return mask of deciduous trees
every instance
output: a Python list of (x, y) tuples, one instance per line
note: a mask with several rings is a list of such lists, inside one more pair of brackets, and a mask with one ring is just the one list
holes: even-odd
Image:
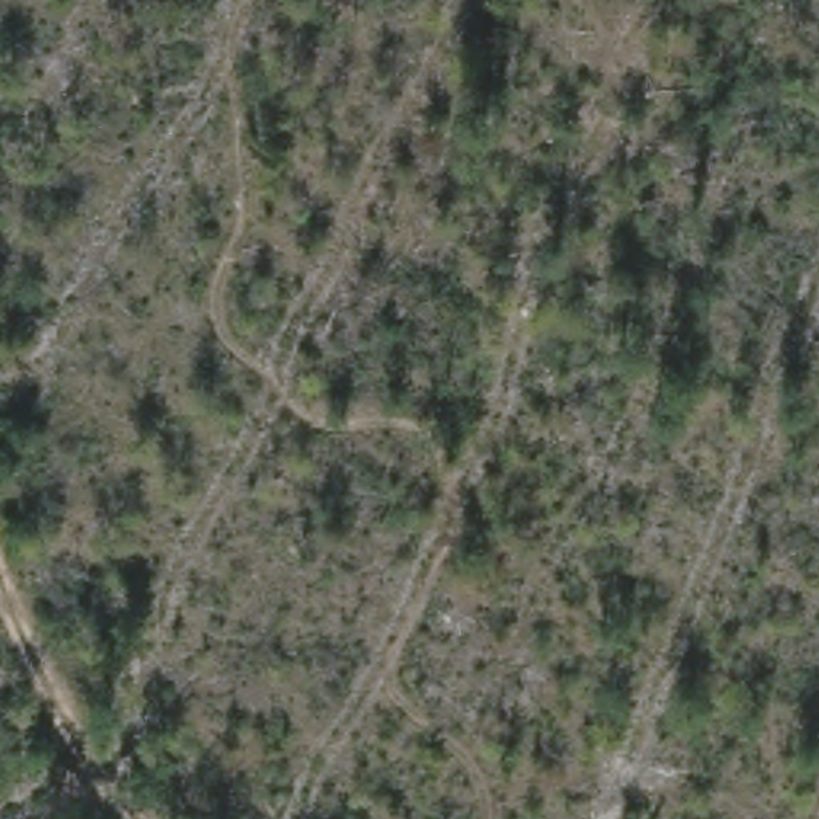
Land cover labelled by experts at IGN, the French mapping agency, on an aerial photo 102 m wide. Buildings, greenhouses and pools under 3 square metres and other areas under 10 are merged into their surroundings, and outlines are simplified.
[(416, 432), (349, 432), (349, 451), (362, 451), (378, 464), (413, 477), (432, 470), (438, 480), (438, 499), (432, 505), (432, 515), (413, 512), (403, 525), (406, 531), (419, 534), (425, 534), (425, 528), (438, 528), (438, 541), (451, 553), (397, 665), (397, 685), (425, 710), (429, 729), (419, 733), (403, 720), (394, 739), (378, 736), (368, 745), (355, 729), (349, 742), (352, 755), (365, 755), (371, 771), (378, 771), (384, 781), (403, 790), (416, 819), (819, 819), (819, 0), (253, 0), (246, 29), (250, 42), (234, 67), (243, 86), (243, 141), (262, 166), (285, 163), (291, 144), (307, 134), (310, 144), (323, 144), (326, 150), (323, 170), (333, 176), (349, 176), (355, 173), (365, 147), (374, 141), (378, 128), (371, 125), (371, 112), (381, 112), (387, 102), (394, 102), (403, 93), (406, 77), (419, 83), (429, 96), (425, 109), (413, 109), (403, 115), (403, 125), (394, 134), (394, 160), (387, 166), (374, 166), (374, 173), (381, 176), (381, 192), (368, 205), (368, 237), (374, 243), (358, 259), (358, 278), (349, 282), (349, 301), (336, 301), (330, 294), (323, 310), (317, 310), (317, 320), (307, 323), (298, 358), (298, 371), (304, 378), (320, 378), (323, 384), (336, 374), (336, 362), (342, 362), (352, 371), (352, 403), (378, 403), (384, 413), (419, 419)]
[(58, 441), (45, 432), (48, 410), (38, 406), (38, 381), (26, 358), (32, 342), (38, 339), (38, 330), (58, 314), (58, 301), (45, 298), (42, 291), (42, 256), (26, 253), (19, 246), (6, 246), (0, 240), (0, 496), (16, 499), (26, 489), (64, 480), (51, 470), (48, 461), (48, 451), (58, 448)]
[(0, 569), (6, 576), (16, 576), (19, 592), (29, 601), (35, 601), (42, 595), (42, 585), (51, 582), (51, 553), (48, 537), (26, 537), (16, 528), (16, 521), (0, 521)]
[[(150, 649), (150, 640), (144, 640), (144, 633), (115, 627), (109, 637), (96, 640), (93, 621), (86, 614), (74, 621), (35, 617), (42, 646), (10, 643), (0, 633), (0, 819), (160, 819), (166, 813), (170, 777), (192, 774), (205, 752), (211, 752), (224, 765), (227, 774), (246, 771), (250, 803), (259, 813), (269, 806), (272, 797), (288, 797), (294, 784), (285, 749), (294, 729), (291, 713), (256, 713), (230, 707), (224, 733), (211, 742), (202, 742), (195, 726), (182, 720), (176, 733), (150, 736), (138, 745), (141, 761), (147, 768), (134, 774), (118, 749), (128, 726), (144, 723), (147, 678), (131, 675), (128, 662)], [(58, 675), (70, 685), (77, 704), (83, 704), (86, 723), (80, 726), (77, 739), (61, 739), (54, 726), (54, 704), (35, 694), (32, 688), (35, 672), (42, 669), (42, 656), (51, 656)]]
[(176, 109), (186, 106), (186, 96), (160, 96), (160, 90), (195, 77), (198, 61), (205, 58), (205, 19), (214, 13), (221, 0), (109, 0), (93, 22), (80, 19), (77, 32), (86, 42), (86, 51), (77, 54), (77, 61), (70, 64), (70, 83), (64, 96), (48, 106), (26, 96), (26, 83), (45, 74), (45, 58), (51, 58), (61, 45), (61, 16), (67, 16), (70, 0), (0, 0), (0, 224), (10, 214), (22, 214), (22, 198), (29, 186), (64, 186), (67, 179), (74, 179), (90, 147), (131, 141), (144, 128), (150, 134), (160, 134), (173, 122)]

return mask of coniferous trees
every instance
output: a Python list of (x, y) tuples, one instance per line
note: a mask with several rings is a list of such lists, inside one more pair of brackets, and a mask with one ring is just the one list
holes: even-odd
[(26, 96), (48, 106), (64, 96), (70, 83), (70, 64), (77, 61), (77, 54), (86, 51), (86, 42), (77, 32), (80, 19), (93, 22), (109, 0), (70, 0), (67, 16), (61, 16), (61, 45), (51, 58), (45, 58), (45, 74), (26, 83)]
[(42, 669), (35, 672), (32, 688), (35, 694), (54, 704), (54, 726), (61, 739), (77, 739), (80, 726), (86, 723), (83, 704), (77, 704), (70, 685), (58, 675), (51, 656), (42, 656)]
[(131, 141), (90, 147), (74, 179), (67, 179), (64, 186), (29, 186), (22, 198), (22, 214), (10, 214), (0, 224), (0, 240), (6, 246), (19, 246), (26, 253), (42, 256), (42, 291), (45, 298), (58, 301), (58, 314), (38, 330), (38, 339), (32, 342), (26, 358), (38, 381), (38, 406), (48, 410), (45, 432), (58, 441), (58, 448), (48, 451), (48, 461), (51, 470), (64, 480), (26, 489), (16, 499), (0, 496), (0, 521), (16, 521), (16, 528), (26, 537), (48, 537), (51, 553), (51, 582), (42, 585), (42, 595), (35, 601), (29, 601), (19, 592), (16, 576), (6, 576), (0, 569), (0, 633), (10, 643), (42, 646), (35, 617), (74, 621), (86, 614), (93, 621), (96, 640), (109, 637), (115, 627), (144, 633), (144, 640), (150, 640), (150, 649), (128, 662), (131, 675), (147, 678), (144, 723), (128, 726), (118, 749), (134, 774), (147, 768), (141, 761), (138, 745), (150, 736), (176, 733), (182, 720), (195, 726), (202, 742), (211, 742), (224, 733), (230, 707), (256, 713), (291, 713), (294, 729), (285, 749), (294, 784), (288, 797), (272, 797), (269, 806), (259, 813), (250, 803), (246, 771), (227, 774), (224, 765), (211, 752), (205, 752), (192, 774), (170, 777), (166, 813), (160, 819), (416, 819), (403, 790), (384, 781), (378, 771), (371, 771), (365, 755), (352, 755), (349, 742), (355, 729), (368, 745), (378, 736), (394, 739), (403, 720), (419, 733), (429, 729), (425, 710), (397, 685), (397, 665), (451, 553), (438, 541), (438, 528), (425, 528), (425, 534), (419, 534), (406, 531), (403, 525), (413, 512), (432, 515), (432, 505), (438, 499), (438, 480), (432, 470), (413, 477), (378, 464), (362, 451), (349, 451), (349, 432), (416, 432), (419, 419), (384, 413), (378, 403), (352, 403), (352, 371), (342, 362), (336, 362), (336, 374), (323, 384), (320, 378), (304, 378), (298, 371), (298, 358), (307, 323), (317, 320), (317, 310), (323, 310), (330, 294), (336, 301), (349, 301), (349, 282), (358, 278), (358, 259), (374, 243), (368, 237), (368, 205), (381, 192), (381, 176), (374, 173), (374, 166), (387, 166), (394, 160), (394, 134), (403, 125), (403, 115), (413, 109), (425, 109), (429, 96), (419, 83), (406, 77), (403, 93), (394, 102), (387, 102), (381, 112), (371, 112), (371, 125), (378, 128), (374, 141), (365, 147), (355, 173), (349, 176), (333, 176), (323, 170), (326, 150), (323, 144), (310, 144), (307, 134), (291, 144), (285, 163), (262, 166), (243, 141), (243, 86), (234, 67), (250, 42), (246, 29), (253, 0), (221, 0), (214, 13), (205, 19), (205, 58), (198, 61), (195, 77), (160, 90), (160, 96), (186, 96), (186, 106), (176, 109), (173, 122), (160, 134), (150, 134), (144, 128)]

